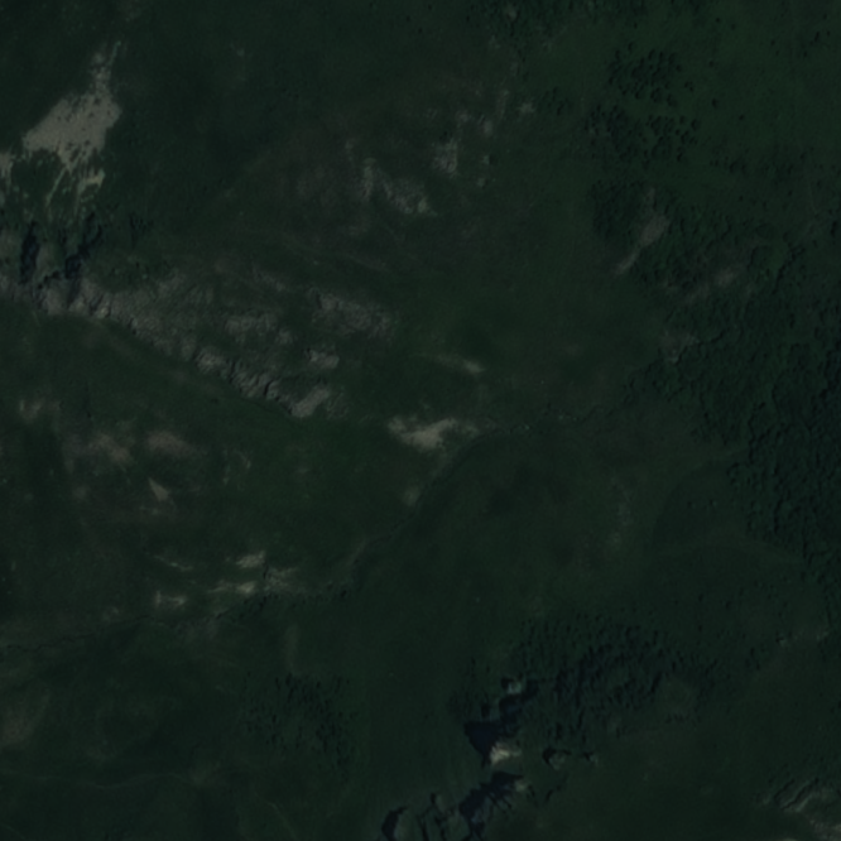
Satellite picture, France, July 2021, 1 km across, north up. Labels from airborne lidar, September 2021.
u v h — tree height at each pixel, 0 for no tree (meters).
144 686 0
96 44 0
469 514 0
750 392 12
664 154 16
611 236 14
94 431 0
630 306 0
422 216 0
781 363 15
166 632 0
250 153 0
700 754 0
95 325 0
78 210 0
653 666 9
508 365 0
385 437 0
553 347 0
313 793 0
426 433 0
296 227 0
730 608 7
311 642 0
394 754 0
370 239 0
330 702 10
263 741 0
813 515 16
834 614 12
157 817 0
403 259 0
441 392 0
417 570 0
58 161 0
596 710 10
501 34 8
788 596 0
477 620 0
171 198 0
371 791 0
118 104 0
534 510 0
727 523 0
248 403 0
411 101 0
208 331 0
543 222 0
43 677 0
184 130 0
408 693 0
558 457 0
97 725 0
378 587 0
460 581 0
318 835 0
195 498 0
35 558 0
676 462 0
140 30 0
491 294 0
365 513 0
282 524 0
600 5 11
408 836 0
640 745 0
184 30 0
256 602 0
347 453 0
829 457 18
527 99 9
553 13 10
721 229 20
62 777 0
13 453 0
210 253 0
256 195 0
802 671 0
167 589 0
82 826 0
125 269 0
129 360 0
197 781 0
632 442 0
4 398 0
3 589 0
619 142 18
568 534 0
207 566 0
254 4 0
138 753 0
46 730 0
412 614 0
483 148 0
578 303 0
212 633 0
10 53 0
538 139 0
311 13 0
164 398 0
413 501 0
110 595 0
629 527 0
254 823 0
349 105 0
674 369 11
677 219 17
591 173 0
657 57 17
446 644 0
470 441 0
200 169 0
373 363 0
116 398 0
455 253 0
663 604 0
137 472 0
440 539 0
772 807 0
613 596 0
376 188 0
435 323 0
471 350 0
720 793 0
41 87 0
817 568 11
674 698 0
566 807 0
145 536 0
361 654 0
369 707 0
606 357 0
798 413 16
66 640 0
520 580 0
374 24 0
